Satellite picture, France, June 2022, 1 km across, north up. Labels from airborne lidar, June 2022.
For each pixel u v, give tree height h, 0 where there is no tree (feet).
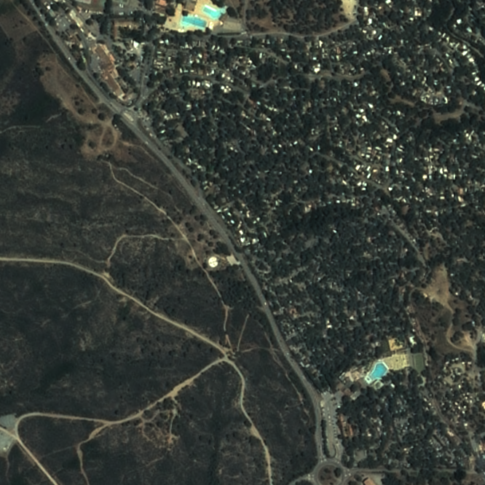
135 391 0
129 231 28
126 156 0
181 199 0
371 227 40
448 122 38
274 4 37
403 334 54
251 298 41
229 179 60
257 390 0
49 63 0
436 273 0
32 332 0
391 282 46
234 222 41
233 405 0
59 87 0
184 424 0
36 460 0
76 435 0
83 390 0
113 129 0
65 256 0
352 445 52
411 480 60
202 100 25
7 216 0
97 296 0
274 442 0
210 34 37
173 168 0
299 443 0
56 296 0
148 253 0
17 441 0
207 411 0
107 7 39
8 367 0
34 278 0
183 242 0
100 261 0
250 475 0
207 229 0
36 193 0
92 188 0
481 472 32
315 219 38
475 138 48
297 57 60
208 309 0
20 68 0
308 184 67
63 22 0
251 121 60
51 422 0
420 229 44
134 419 0
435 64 45
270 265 32
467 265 41
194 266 0
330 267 48
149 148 0
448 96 22
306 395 32
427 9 57
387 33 50
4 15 0
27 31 0
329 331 28
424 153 53
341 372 72
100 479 0
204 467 0
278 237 37
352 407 62
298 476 20
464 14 37
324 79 31
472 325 39
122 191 0
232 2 0
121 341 0
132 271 23
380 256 45
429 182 52
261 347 0
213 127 66
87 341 0
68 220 0
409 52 28
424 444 41
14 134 0
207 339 0
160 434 0
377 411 24
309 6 36
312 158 39
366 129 41
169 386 28
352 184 30
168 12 48
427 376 44
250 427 23
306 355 32
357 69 48
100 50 0
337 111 36
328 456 27
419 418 52
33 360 0
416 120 26
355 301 35
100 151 0
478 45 44
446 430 44
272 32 0
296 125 60
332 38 37
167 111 57
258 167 52
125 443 0
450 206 50
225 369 0
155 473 0
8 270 0
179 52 27
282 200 29
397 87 32
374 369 0
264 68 23
